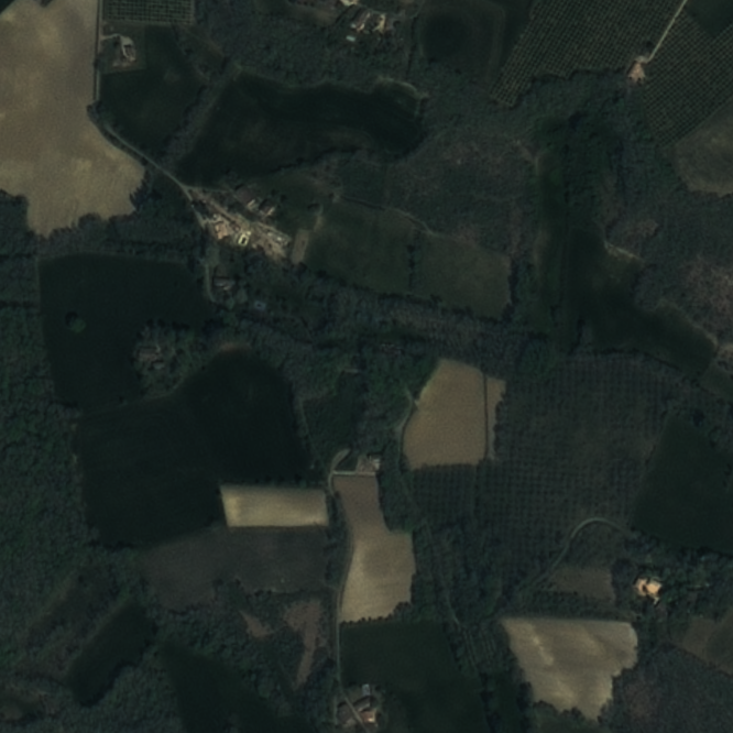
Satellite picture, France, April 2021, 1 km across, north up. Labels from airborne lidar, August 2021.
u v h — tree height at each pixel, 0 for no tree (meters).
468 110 20
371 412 20
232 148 0
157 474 0
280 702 20
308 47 23
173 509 0
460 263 0
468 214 12
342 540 19
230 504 0
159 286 0
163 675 7
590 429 0
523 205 12
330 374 24
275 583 0
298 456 0
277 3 0
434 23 0
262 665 14
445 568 25
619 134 23
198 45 0
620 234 14
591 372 9
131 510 0
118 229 21
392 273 0
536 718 21
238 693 0
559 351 15
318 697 13
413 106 0
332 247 0
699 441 0
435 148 13
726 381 0
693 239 19
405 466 21
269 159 0
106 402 0
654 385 8
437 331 35
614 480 12
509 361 26
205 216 16
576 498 7
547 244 0
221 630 12
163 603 16
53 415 19
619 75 11
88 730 19
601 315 0
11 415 22
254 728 0
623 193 9
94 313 0
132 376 0
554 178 0
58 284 0
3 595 21
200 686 0
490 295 0
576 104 27
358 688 9
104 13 0
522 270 21
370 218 0
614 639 0
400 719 0
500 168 10
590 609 11
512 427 8
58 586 22
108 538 0
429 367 20
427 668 0
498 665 24
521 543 11
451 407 0
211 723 0
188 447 0
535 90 10
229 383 0
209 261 23
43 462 23
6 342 22
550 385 10
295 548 0
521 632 0
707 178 0
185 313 0
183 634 11
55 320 0
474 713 0
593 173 6
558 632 0
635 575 17
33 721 8
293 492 0
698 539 0
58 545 22
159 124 0
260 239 0
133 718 13
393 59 12
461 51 0
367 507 0
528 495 7
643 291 23
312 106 0
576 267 0
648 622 7
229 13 6
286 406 0
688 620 7
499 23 0
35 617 25
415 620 16
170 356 16
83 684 0
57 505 23
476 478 8
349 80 19
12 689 7
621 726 21
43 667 0
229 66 16
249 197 0
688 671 17
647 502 0
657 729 14
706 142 0
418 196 10
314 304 9
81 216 0
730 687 18
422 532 21
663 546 15
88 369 0
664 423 9
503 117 13
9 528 24
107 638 0
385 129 0
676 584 9
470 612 31
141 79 0
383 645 0
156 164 13
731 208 14
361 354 13
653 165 17
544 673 0
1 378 22
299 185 0
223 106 0
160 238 20
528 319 6
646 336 0
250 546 0
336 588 13
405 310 33
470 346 34
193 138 12
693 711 18
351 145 0
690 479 0
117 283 0
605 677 0
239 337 20
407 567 0
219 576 0
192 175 0
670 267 16
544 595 7
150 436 0
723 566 17
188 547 0
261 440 0
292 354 21
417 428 0
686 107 6
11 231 23
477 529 26
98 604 0
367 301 20
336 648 14
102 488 0
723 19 0
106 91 0
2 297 22
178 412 0
